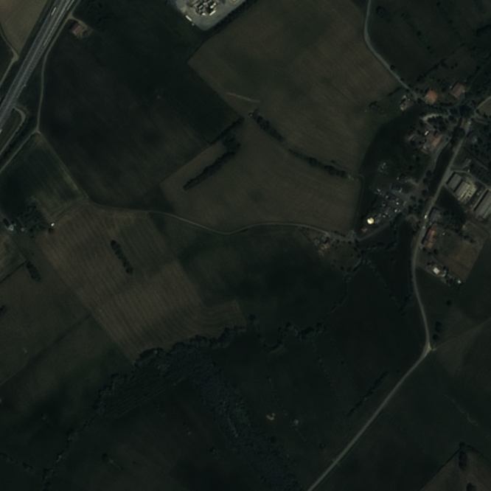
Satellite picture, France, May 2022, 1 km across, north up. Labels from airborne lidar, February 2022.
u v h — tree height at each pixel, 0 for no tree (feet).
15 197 0
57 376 0
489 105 0
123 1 0
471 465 0
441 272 0
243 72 0
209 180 0
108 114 0
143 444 0
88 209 0
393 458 0
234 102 0
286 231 0
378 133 0
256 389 0
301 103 0
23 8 0
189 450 0
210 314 0
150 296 0
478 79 0
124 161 0
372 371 0
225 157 32
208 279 0
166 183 0
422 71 0
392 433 0
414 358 0
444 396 0
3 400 0
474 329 0
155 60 0
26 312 0
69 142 0
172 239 0
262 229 0
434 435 0
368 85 0
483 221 0
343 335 0
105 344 0
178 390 0
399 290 0
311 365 0
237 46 0
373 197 0
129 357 0
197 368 41
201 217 0
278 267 0
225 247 0
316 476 0
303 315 0
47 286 0
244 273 0
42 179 0
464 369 0
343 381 0
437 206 0
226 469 0
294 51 0
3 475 0
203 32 0
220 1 0
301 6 0
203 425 0
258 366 0
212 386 45
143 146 0
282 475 42
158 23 0
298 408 0
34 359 0
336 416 0
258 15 0
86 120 0
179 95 0
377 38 0
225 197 0
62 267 0
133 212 0
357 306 0
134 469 0
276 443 45
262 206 0
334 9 0
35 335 0
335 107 0
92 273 0
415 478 0
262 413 0
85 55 0
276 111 0
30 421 0
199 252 0
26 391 0
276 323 0
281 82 0
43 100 0
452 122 45
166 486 0
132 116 0
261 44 0
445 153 0
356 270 24
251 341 0
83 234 0
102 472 0
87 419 0
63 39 0
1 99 0
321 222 0
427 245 0
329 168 24
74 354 0
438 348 0
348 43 0
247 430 44
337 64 0
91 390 0
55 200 0
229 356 0
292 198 0
